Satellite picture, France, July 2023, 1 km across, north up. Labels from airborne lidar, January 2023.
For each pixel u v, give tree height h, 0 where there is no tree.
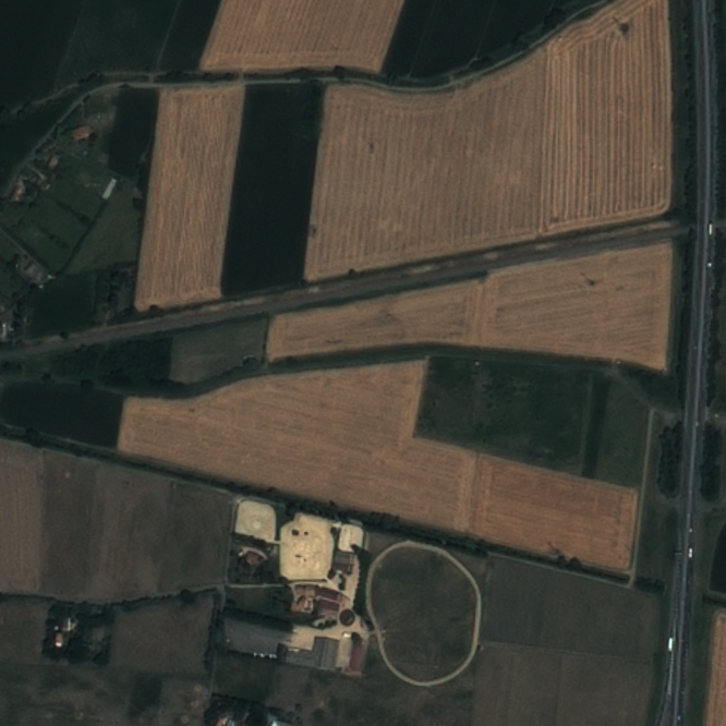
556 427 0
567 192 0
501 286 0
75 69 0
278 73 0
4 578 0
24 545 0
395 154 0
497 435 0
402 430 0
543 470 0
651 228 0
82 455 8
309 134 0
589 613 0
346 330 0
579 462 0
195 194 0
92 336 0
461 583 0
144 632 0
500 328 0
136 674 0
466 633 0
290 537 0
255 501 0
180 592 0
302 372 0
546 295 0
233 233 0
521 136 0
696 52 10
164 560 0
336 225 0
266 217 0
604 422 0
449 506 0
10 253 0
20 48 0
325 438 0
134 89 0
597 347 0
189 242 0
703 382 0
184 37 0
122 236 0
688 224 0
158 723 0
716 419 0
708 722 0
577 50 0
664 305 0
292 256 0
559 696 0
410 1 0
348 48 0
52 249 0
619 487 0
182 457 0
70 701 0
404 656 0
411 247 0
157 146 0
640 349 0
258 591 0
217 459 0
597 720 0
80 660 16
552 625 0
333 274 0
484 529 0
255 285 0
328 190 0
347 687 0
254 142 0
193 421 0
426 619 0
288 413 0
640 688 0
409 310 0
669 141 0
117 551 0
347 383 0
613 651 0
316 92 7
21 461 0
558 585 0
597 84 0
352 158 0
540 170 0
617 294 0
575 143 0
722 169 9
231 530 0
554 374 0
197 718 0
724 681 0
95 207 0
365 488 0
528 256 0
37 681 0
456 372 0
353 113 0
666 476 14
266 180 0
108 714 0
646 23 0
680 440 12
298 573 0
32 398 0
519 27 0
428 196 0
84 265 0
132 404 0
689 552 0
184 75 10
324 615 0
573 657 0
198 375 0
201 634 0
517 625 0
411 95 0
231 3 0
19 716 0
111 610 14
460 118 0
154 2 0
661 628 0
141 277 0
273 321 0
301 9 0
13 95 0
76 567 0
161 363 12
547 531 0
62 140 16
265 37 0
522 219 0
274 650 0
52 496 0
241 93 0
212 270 0
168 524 0
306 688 0
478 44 0
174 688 0
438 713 0
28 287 5
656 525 0
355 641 13
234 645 0
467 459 0
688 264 11
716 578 0
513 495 0
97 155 0
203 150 0
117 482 0
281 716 7
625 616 0
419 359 0
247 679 0
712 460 12
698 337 0
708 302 0
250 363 15
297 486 0
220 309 0
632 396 0
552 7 0
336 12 0
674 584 0
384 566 0
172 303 0
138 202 9
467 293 0
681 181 0
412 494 0
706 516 0
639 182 0
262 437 0
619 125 0
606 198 0
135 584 0
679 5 0
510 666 0
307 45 0
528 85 0
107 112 0
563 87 0
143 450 0
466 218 0
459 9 0
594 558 0
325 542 0
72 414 0
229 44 0
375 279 0
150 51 0
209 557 0
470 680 0
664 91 0
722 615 0
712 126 0
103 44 0
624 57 0
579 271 0
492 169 0
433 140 0
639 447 0
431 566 0
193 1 0
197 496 0
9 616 0
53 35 0
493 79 0
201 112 0
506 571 0
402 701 0
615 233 0
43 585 0
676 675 0
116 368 8
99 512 0
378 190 0
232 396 0
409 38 0
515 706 0
